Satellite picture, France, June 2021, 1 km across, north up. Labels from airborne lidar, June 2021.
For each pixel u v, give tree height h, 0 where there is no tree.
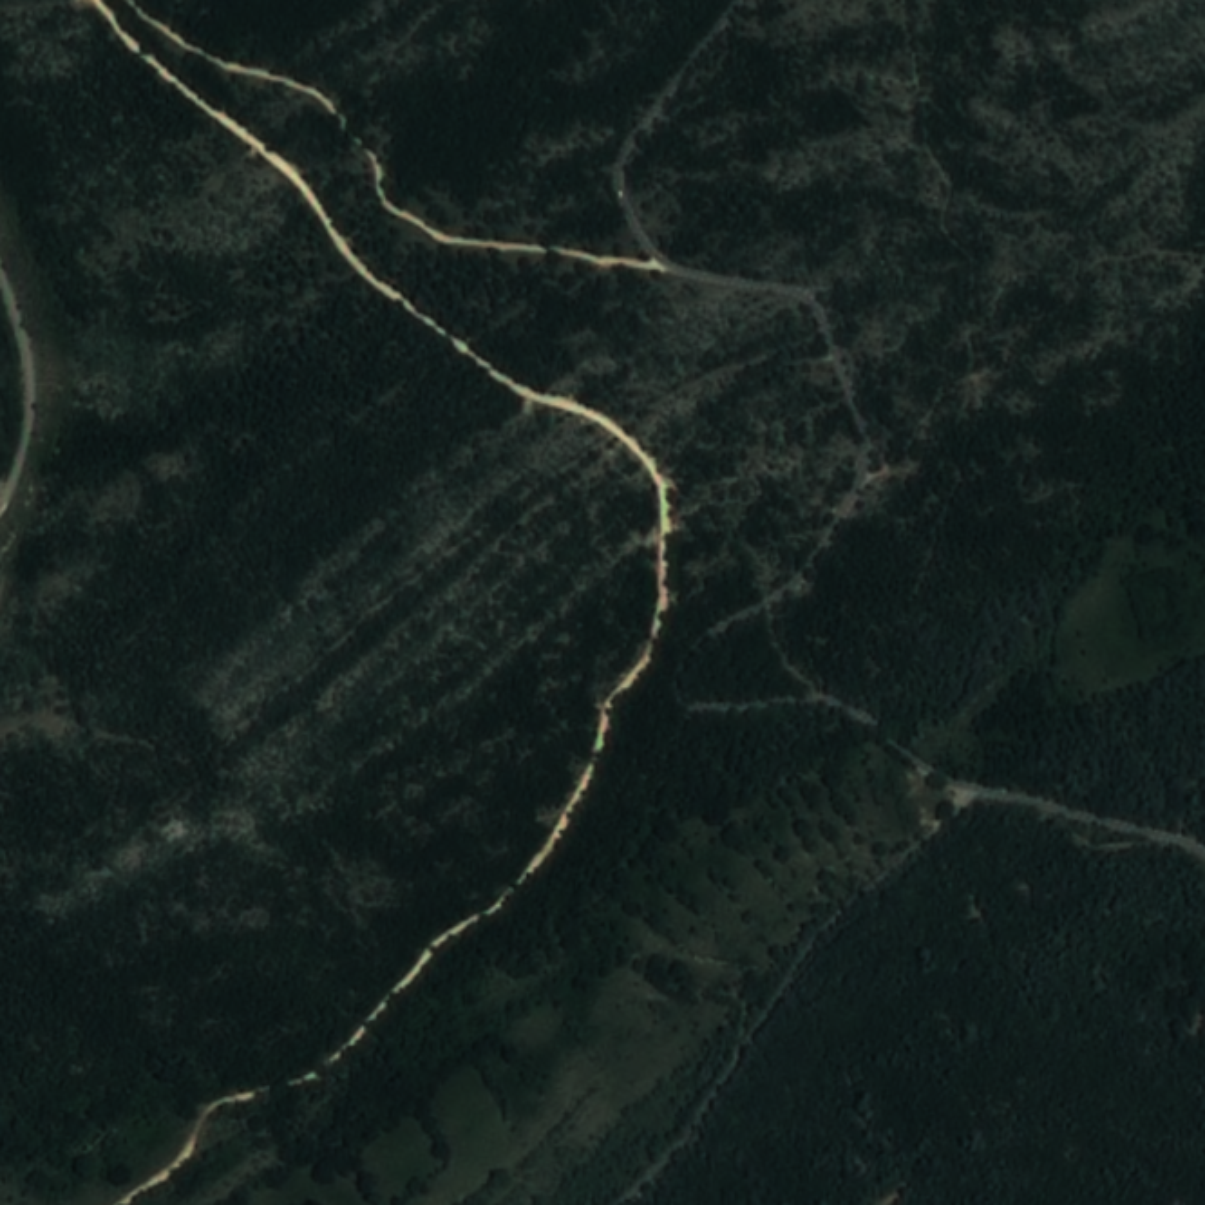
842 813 13
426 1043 11
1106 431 6
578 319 9
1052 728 7
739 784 6
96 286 6
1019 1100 9
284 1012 10
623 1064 0
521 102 6
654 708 11
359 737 6
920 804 0
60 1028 6
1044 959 10
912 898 9
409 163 14
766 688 13
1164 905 16
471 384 7
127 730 6
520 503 6
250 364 6
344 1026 12
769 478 7
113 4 10
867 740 12
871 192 5
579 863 11
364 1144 10
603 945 14
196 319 11
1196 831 9
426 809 9
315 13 13
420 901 13
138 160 7
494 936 12
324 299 9
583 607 8
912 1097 11
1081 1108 11
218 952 9
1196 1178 11
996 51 6
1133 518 7
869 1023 8
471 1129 0
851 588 10
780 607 6
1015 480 6
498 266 10
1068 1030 9
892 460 7
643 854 17
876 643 13
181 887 7
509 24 8
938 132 5
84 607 6
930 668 7
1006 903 12
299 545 9
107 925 7
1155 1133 10
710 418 7
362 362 7
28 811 11
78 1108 8
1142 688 14
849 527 8
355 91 9
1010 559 6
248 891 7
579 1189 6
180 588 6
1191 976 14
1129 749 9
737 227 8
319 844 7
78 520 6
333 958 8
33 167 9
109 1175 12
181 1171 9
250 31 9
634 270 6
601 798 8
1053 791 6
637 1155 6
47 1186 5
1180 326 6
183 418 7
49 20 7
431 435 6
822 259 6
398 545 8
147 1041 14
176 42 0
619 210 8
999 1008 9
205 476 6
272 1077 12
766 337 6
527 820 9
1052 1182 10
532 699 8
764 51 6
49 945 7
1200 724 6
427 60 6
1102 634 0
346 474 7
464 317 10
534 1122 0
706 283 0
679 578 9
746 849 7
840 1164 11
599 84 9
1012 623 18
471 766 8
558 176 7
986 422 7
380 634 7
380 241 10
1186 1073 11
